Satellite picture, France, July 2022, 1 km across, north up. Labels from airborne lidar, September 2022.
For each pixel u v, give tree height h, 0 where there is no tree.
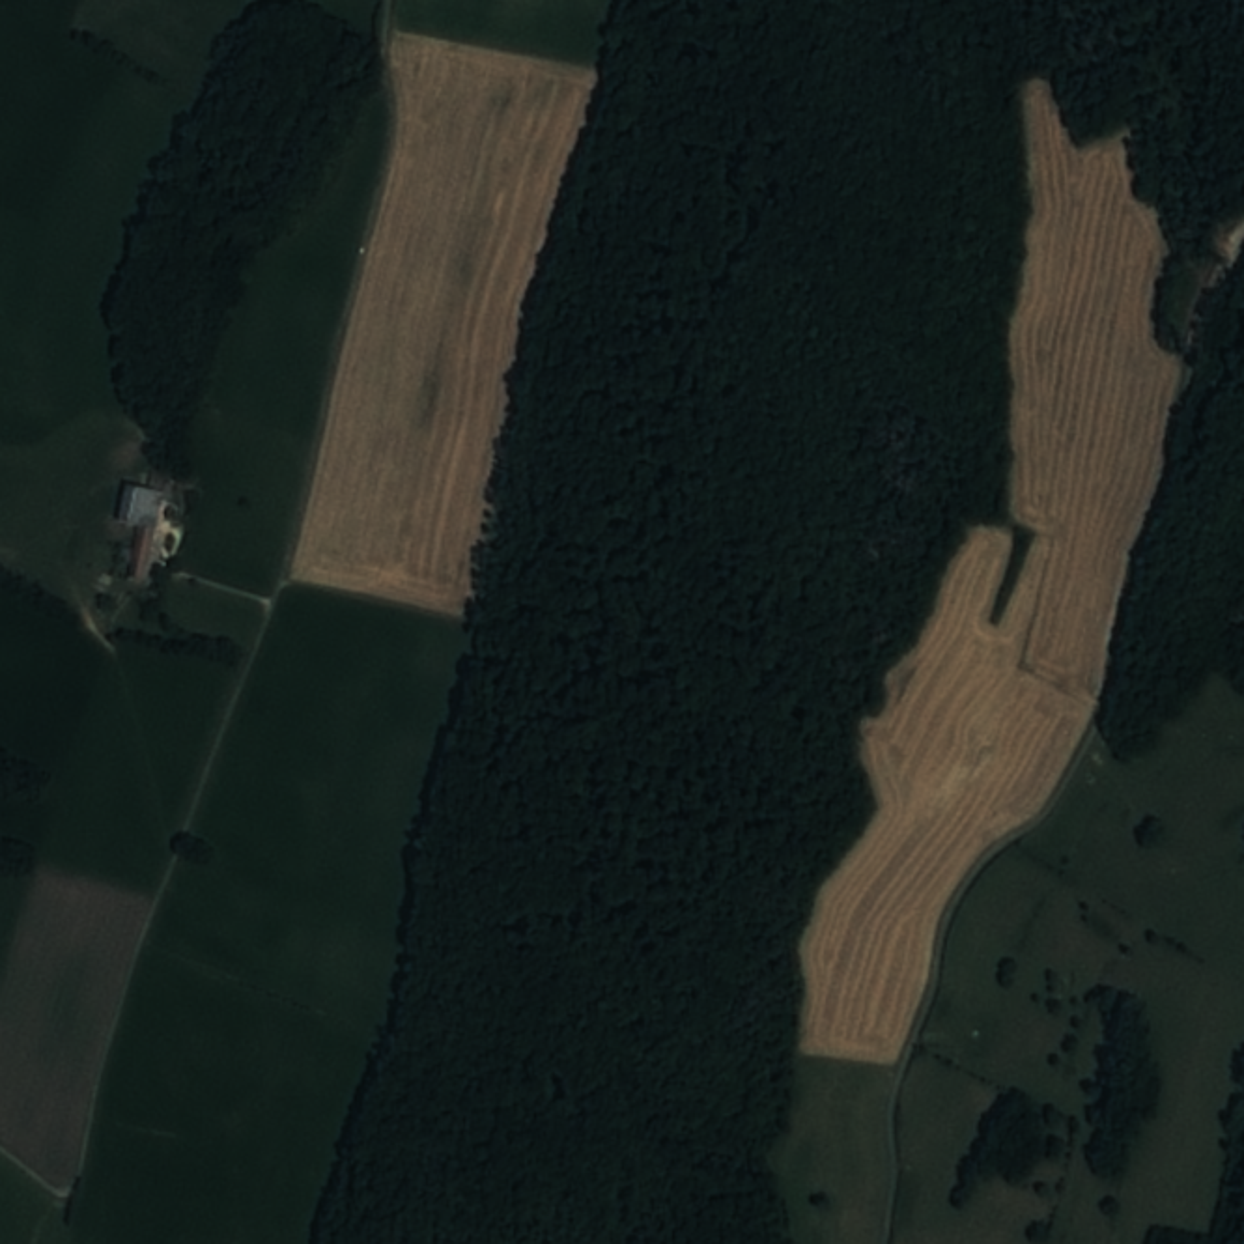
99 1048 0
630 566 19
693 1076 17
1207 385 8
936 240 16
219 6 0
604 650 22
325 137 22
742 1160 23
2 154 0
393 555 0
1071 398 0
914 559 14
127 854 0
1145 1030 19
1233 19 26
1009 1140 23
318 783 0
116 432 0
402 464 0
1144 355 0
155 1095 0
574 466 21
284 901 0
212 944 0
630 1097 22
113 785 0
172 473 15
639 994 18
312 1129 0
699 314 22
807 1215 0
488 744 21
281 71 28
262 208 20
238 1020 0
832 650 22
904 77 21
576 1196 18
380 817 0
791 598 20
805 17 18
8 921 0
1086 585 0
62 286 0
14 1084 0
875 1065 0
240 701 0
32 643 0
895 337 18
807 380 19
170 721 0
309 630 0
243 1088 0
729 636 26
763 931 17
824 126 21
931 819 0
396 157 0
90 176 0
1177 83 7
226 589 0
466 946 19
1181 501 19
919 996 0
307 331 0
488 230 0
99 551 0
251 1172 0
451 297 0
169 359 16
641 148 21
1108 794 0
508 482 16
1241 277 20
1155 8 26
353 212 0
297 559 0
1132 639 20
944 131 18
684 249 24
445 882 21
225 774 0
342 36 16
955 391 12
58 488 0
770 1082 19
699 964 18
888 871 0
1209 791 0
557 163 0
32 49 0
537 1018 16
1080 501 0
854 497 15
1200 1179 0
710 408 18
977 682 0
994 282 18
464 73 0
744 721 21
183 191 24
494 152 0
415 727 0
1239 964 0
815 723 26
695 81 24
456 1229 20
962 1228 0
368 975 0
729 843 18
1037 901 0
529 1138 22
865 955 0
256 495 0
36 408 0
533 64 0
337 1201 17
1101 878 0
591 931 20
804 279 18
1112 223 0
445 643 0
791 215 25
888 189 19
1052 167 0
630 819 19
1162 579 17
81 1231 0
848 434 18
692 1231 17
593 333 18
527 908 22
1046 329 0
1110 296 0
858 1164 0
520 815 20
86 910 0
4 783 22
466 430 0
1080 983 0
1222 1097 0
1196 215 23
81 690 0
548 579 26
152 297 17
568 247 18
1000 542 0
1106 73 21
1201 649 24
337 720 0
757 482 19
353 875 0
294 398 0
